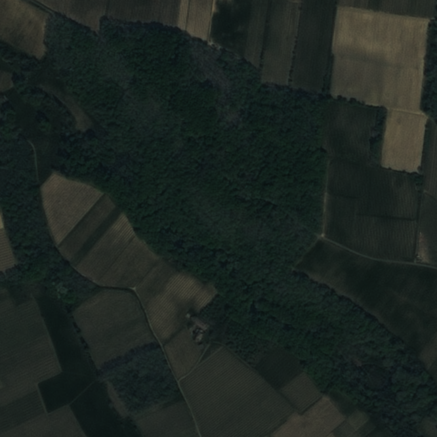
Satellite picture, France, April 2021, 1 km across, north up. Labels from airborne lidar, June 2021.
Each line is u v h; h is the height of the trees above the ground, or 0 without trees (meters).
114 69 15
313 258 0
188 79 21
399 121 0
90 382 0
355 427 0
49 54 11
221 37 0
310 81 0
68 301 21
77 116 0
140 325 0
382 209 0
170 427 0
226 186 18
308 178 19
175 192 23
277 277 23
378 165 11
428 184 0
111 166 24
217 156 16
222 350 0
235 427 0
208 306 7
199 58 16
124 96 23
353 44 0
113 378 19
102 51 14
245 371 0
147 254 0
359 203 0
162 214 26
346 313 25
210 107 21
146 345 0
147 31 18
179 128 22
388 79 0
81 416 0
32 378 0
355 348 17
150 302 0
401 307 0
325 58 0
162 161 28
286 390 0
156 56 22
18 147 21
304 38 0
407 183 0
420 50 0
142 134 23
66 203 0
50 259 24
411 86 0
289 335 24
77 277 18
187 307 0
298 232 18
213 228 19
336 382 22
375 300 0
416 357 12
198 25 0
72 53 23
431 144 0
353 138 0
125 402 12
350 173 0
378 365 9
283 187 17
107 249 0
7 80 0
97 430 0
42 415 0
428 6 0
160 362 21
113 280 0
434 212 0
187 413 0
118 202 13
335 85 0
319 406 0
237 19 0
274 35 0
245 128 15
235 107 25
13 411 0
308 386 0
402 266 0
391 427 18
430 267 0
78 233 0
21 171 24
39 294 0
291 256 19
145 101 18
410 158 0
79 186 0
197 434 0
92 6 0
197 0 0
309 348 26
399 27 0
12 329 0
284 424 0
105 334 0
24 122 0
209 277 22
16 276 15
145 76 21
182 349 0
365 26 0
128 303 0
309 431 0
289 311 31
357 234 0
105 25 15
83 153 18
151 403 20
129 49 20
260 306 27
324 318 19
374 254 0
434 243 0
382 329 25
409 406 22
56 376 0
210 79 18
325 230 0
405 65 0
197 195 20
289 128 24
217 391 0
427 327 0
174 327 0
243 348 7
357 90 0
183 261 20
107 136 22
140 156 22
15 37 0
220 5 0
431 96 9
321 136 19
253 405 0
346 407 0
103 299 0
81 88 19
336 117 0
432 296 0
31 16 0
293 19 0
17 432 0
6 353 0
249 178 18
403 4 0
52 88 0
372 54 0
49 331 0
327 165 11
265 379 0
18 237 21
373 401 17
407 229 0
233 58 19
